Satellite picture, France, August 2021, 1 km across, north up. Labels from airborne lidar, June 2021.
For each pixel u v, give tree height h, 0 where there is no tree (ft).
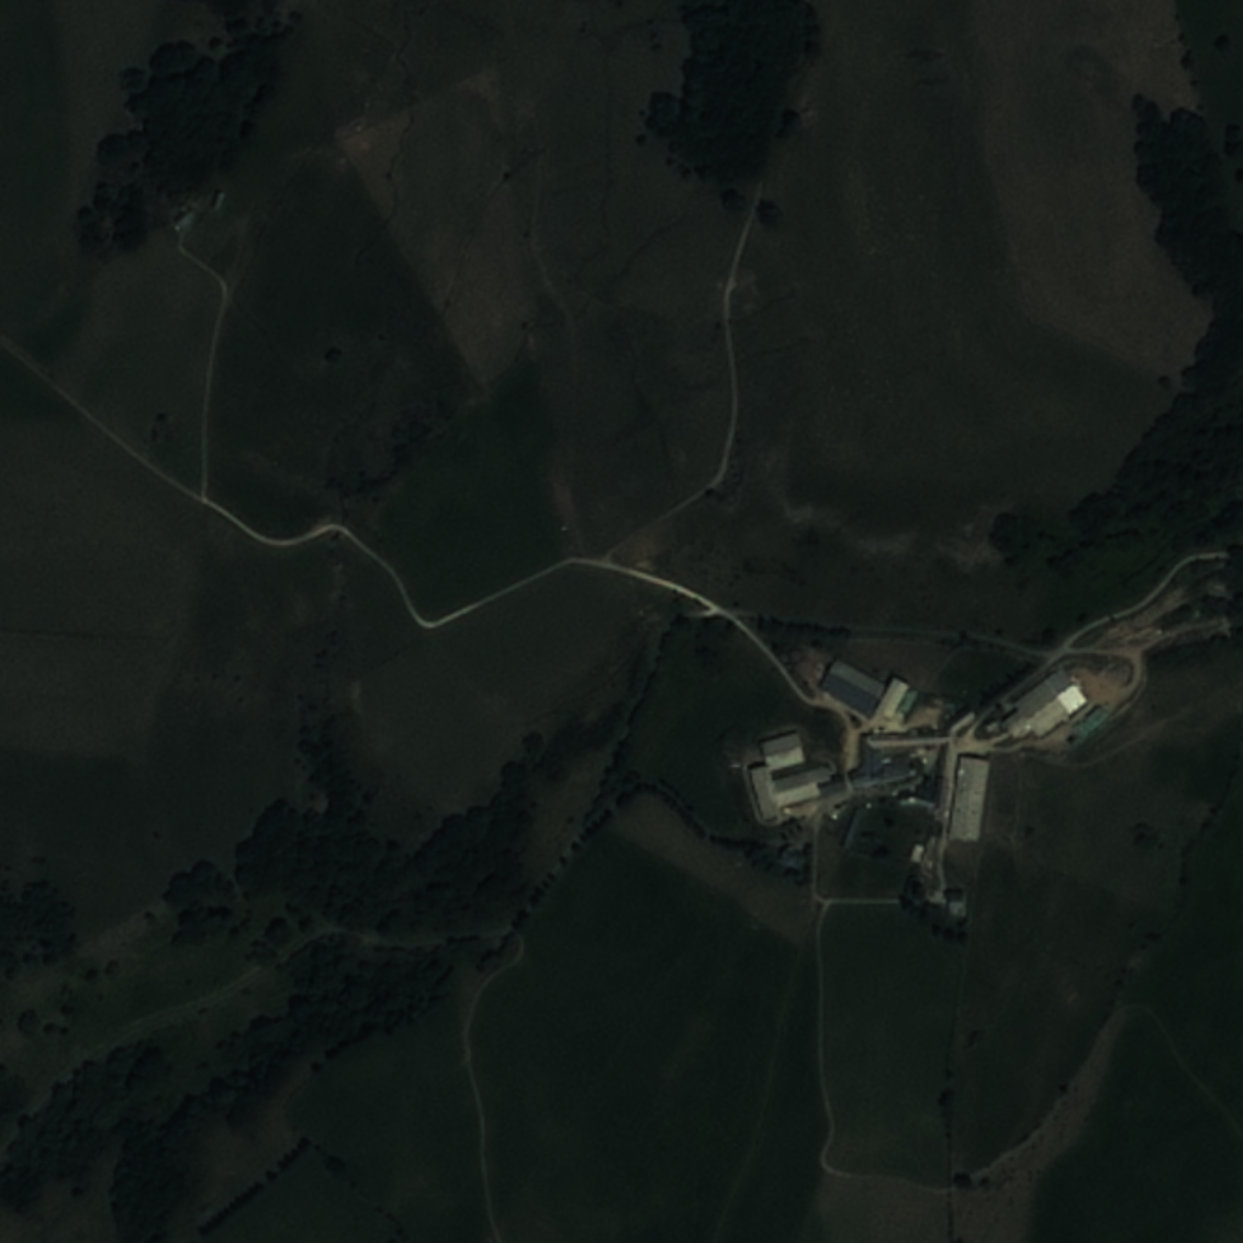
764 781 0
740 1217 0
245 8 50
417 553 0
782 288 0
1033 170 0
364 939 0
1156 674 0
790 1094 0
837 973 0
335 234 0
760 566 0
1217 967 0
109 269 0
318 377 0
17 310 0
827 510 0
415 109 0
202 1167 0
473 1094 0
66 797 0
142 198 45
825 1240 0
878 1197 0
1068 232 0
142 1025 0
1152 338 0
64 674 0
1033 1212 0
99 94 0
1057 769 0
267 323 0
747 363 0
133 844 0
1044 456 0
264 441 0
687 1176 0
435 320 0
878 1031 0
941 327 0
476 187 0
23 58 0
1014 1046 0
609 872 0
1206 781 0
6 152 0
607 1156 0
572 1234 0
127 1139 37
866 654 0
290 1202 0
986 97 0
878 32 0
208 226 0
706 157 56
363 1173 0
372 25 0
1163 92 0
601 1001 0
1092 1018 0
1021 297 0
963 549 0
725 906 0
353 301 0
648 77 0
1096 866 0
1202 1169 0
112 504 0
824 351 0
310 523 0
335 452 0
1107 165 0
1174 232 45
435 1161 0
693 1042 0
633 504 0
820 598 0
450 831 50
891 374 0
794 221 0
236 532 0
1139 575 0
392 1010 21
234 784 0
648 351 0
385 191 0
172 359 0
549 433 0
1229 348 52
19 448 0
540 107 0
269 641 0
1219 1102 0
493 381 0
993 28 0
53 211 0
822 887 0
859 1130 0
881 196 0
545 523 0
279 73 41
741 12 64
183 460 0
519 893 50
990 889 0
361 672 0
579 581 0
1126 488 42
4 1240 0
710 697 0
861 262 0
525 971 0
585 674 0
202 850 0
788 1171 0
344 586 0
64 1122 30
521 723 0
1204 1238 0
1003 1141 0
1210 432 60
